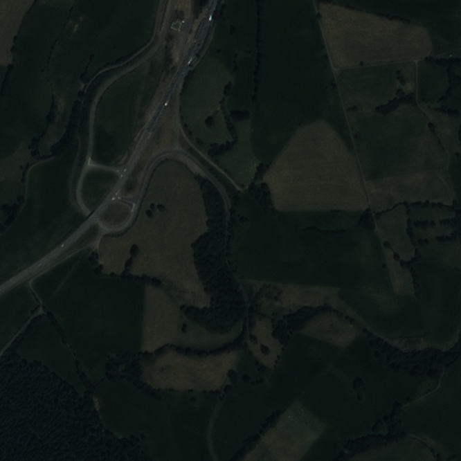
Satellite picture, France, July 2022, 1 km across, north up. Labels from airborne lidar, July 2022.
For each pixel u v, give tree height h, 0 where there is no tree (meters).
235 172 0
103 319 0
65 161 0
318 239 0
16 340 8
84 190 0
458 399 0
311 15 0
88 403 19
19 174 0
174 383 0
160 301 0
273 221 0
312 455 0
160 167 0
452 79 19
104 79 0
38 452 26
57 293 0
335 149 0
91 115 0
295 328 13
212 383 0
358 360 0
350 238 0
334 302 0
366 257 0
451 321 0
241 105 0
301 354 0
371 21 0
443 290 0
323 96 0
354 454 18
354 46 0
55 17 0
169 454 0
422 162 0
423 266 0
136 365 15
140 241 0
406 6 0
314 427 0
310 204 0
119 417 0
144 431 0
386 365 8
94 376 0
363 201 0
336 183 0
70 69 0
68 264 0
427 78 0
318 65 0
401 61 0
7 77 9
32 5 0
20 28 0
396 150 0
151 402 0
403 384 0
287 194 0
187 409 0
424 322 0
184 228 0
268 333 0
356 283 0
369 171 0
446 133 0
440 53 0
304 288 0
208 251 20
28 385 24
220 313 15
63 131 0
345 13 0
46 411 24
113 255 0
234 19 0
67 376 0
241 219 17
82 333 0
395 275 0
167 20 0
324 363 0
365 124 0
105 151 0
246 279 0
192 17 0
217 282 12
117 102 0
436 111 10
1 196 0
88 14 0
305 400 0
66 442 14
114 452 25
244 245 0
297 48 0
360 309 0
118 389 0
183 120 6
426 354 16
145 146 0
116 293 0
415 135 0
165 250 0
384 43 0
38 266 0
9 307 0
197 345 0
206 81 0
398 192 0
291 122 0
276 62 0
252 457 0
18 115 0
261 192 14
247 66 0
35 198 0
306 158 0
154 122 0
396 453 0
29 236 0
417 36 0
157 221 0
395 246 0
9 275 0
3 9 0
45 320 0
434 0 0
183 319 0
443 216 0
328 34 0
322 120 0
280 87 0
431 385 0
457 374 0
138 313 0
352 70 0
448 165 0
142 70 0
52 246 0
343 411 0
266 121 0
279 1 0
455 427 0
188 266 0
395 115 0
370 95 0
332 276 0
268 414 0
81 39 0
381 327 0
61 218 0
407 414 0
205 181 18
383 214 8
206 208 9
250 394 0
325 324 0
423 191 0
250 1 0
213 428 0
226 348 20
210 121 17
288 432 0
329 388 0
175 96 0
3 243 0
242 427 0
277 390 0
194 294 0
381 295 0
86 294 0
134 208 0
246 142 0
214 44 0
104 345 0
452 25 0
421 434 0
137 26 0
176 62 0
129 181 0
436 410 0
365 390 0
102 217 0
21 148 0
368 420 0
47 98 0
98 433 18
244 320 7
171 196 0
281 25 0
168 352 0
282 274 0
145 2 0
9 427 18
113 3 0
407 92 0
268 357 0
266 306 0
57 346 0
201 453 0
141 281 15
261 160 0
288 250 0
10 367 15
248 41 0
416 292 10
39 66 0
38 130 0
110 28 0
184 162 0
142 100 0
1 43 0
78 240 0
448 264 0
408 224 13
